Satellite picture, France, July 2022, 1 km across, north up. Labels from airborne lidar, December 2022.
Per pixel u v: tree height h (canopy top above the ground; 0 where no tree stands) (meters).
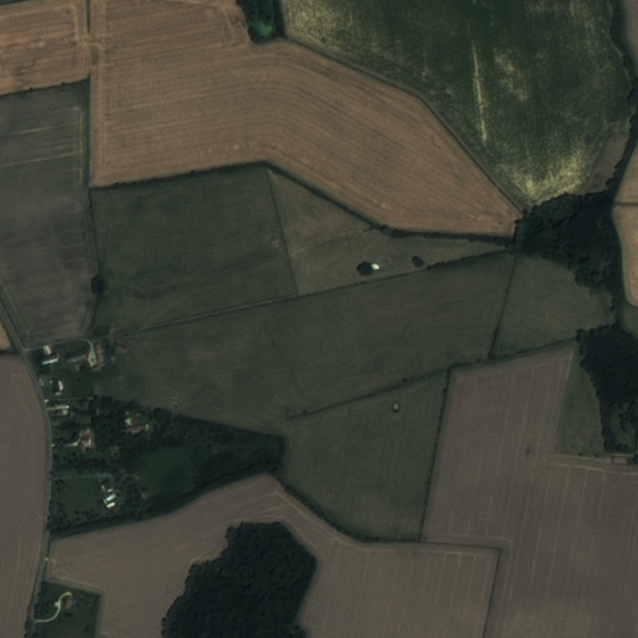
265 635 13
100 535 0
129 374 0
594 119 0
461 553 0
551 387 0
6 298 0
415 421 0
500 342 0
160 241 0
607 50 0
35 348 0
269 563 18
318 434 0
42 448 0
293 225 0
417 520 0
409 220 0
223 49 0
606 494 0
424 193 0
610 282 12
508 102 0
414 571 0
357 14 0
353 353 0
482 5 0
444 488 0
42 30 0
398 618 0
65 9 0
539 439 0
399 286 0
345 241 0
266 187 0
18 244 0
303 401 0
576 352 0
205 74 0
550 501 0
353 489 0
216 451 0
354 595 0
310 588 11
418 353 0
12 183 0
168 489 0
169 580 0
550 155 0
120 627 0
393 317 0
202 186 0
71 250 0
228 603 13
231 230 0
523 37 0
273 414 0
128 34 0
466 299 0
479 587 0
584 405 0
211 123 0
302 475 0
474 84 0
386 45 0
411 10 0
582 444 0
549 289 0
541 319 0
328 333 0
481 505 0
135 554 0
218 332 0
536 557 0
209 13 0
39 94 0
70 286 0
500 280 0
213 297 0
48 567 0
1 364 0
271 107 0
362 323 0
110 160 0
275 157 0
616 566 0
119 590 0
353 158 0
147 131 0
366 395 0
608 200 17
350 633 0
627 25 0
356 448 0
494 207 0
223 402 0
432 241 0
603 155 0
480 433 0
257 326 0
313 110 0
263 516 0
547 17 0
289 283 0
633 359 14
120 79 0
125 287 0
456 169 0
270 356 0
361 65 0
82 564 0
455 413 0
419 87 0
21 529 0
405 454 0
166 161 0
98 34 0
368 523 0
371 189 0
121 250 0
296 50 0
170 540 0
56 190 0
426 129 0
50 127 0
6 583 0
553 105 0
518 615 0
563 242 14
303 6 0
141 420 0
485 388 0
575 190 0
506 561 0
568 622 0
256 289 0
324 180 0
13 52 0
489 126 0
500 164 0
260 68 0
